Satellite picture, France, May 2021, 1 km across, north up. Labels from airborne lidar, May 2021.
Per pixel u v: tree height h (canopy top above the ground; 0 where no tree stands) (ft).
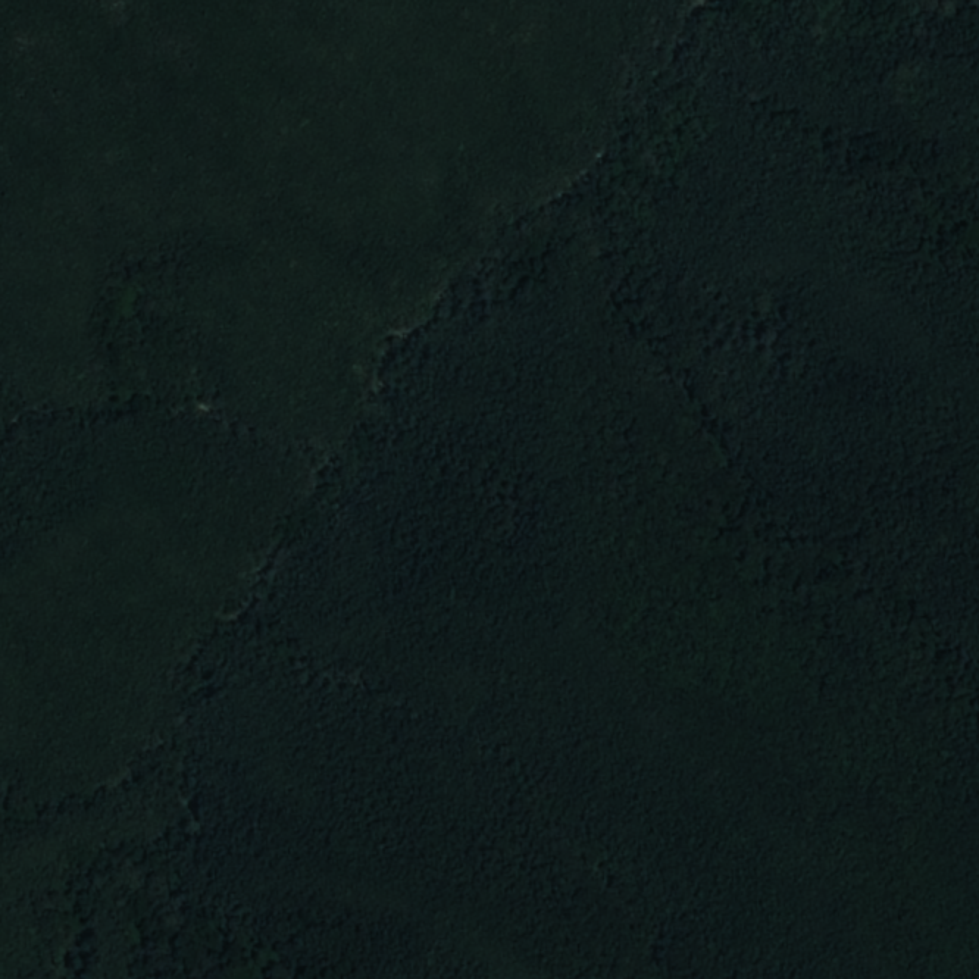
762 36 47
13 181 23
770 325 31
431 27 22
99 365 35
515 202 36
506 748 56
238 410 31
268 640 23
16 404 30
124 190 23
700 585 40
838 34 39
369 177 24
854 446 37
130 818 26
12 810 80
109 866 26
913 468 47
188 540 34
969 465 35
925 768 51
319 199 25
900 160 50
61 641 28
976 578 50
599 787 46
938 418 37
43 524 28
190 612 29
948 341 29
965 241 51
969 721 52
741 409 44
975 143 38
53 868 41
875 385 45
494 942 29
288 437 49
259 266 28
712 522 62
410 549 36
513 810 42
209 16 18
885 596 60
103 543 24
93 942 57
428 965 39
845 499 42
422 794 33
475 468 51
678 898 34
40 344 24
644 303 67
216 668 36
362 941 52
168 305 40
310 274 28
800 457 40
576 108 24
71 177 22
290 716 38
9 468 26
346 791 28
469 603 33
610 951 52
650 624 43
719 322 68
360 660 33
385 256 33
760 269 24
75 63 17
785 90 26
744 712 47
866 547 58
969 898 35
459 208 31
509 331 37
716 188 41
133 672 37
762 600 42
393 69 23
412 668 31
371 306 33
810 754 43
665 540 60
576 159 43
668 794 26
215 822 40
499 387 41
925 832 43
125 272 26
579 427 45
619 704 30
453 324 32
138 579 25
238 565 46
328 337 32
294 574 38
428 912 29
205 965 50
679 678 39
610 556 43
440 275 35
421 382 34
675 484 48
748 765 50
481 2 32
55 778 46
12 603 24
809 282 27
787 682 45
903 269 33
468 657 35
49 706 40
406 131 29
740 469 99
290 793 29
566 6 25
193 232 33
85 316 31
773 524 57
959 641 39
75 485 31
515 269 63
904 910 43
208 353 35
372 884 28
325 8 28
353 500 41
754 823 28
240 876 42
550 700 31
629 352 63
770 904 30
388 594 48
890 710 49
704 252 32
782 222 32
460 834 43
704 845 41
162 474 31
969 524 49
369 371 49
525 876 24
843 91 40
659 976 77
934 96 33
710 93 30
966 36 56
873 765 44
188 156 30
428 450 31
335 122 19
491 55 27
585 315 43
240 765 51
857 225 36
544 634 23
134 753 45
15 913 55
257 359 23
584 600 25
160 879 47
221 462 59
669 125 57
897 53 43
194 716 73
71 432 44
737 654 48
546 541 27
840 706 46
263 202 25
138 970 88
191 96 27
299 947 46
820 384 49
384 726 36
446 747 47
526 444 39
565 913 36
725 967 43
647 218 51
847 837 42
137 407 59
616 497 34
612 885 47
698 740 39
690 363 55
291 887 27
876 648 40
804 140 31
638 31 33
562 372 34
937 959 38
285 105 20
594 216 57
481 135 25
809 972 29
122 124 21
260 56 21
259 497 46
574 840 59
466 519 33
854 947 31
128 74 19
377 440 43
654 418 50
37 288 19
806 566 101
